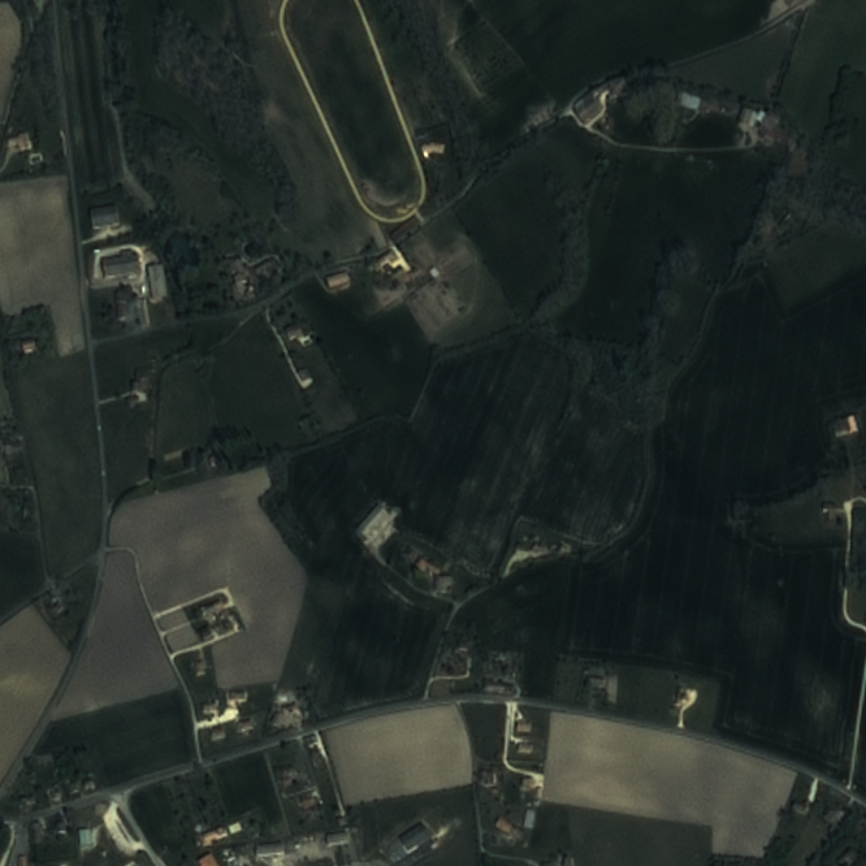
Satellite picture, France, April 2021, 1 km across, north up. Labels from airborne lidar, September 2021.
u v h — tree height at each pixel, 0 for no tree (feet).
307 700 20
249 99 59
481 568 0
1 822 0
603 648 0
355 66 0
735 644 0
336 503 0
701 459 0
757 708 0
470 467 0
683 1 0
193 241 49
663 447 0
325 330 0
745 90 0
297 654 0
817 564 0
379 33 0
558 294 51
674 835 0
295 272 37
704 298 0
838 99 26
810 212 22
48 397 0
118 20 47
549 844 0
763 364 0
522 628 0
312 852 0
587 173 0
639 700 0
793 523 0
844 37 0
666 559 0
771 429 0
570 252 41
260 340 0
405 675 0
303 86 0
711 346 0
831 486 35
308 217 0
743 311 0
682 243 0
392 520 0
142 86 0
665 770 0
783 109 39
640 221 0
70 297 0
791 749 0
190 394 0
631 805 0
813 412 0
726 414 0
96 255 0
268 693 0
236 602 0
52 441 0
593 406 0
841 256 0
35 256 0
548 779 0
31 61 19
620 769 0
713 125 0
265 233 35
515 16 0
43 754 0
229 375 0
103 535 0
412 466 0
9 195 0
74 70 0
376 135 0
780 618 0
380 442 0
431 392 0
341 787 0
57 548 0
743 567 0
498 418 0
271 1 0
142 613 0
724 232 0
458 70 0
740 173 0
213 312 43
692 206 0
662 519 0
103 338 0
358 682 0
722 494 0
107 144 0
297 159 0
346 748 0
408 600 0
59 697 0
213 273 0
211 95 55
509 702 0
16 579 0
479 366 0
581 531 0
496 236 0
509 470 0
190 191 0
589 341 17
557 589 0
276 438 0
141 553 0
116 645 0
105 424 0
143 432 0
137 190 0
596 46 0
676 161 0
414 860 0
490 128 0
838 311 0
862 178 0
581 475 0
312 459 0
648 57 0
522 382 0
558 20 0
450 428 0
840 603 0
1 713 0
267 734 26
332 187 0
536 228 0
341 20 0
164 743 0
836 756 0
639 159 0
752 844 0
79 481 0
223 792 0
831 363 0
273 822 0
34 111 0
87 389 0
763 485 0
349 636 0
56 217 0
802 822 0
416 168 0
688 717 0
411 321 0
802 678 0
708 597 0
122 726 0
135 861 0
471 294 0
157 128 55
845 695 0
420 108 0
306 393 28
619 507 0
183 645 0
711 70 0
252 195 0
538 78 0
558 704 0
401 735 0
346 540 0
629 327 0
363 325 0
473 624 20
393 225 0
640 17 0
